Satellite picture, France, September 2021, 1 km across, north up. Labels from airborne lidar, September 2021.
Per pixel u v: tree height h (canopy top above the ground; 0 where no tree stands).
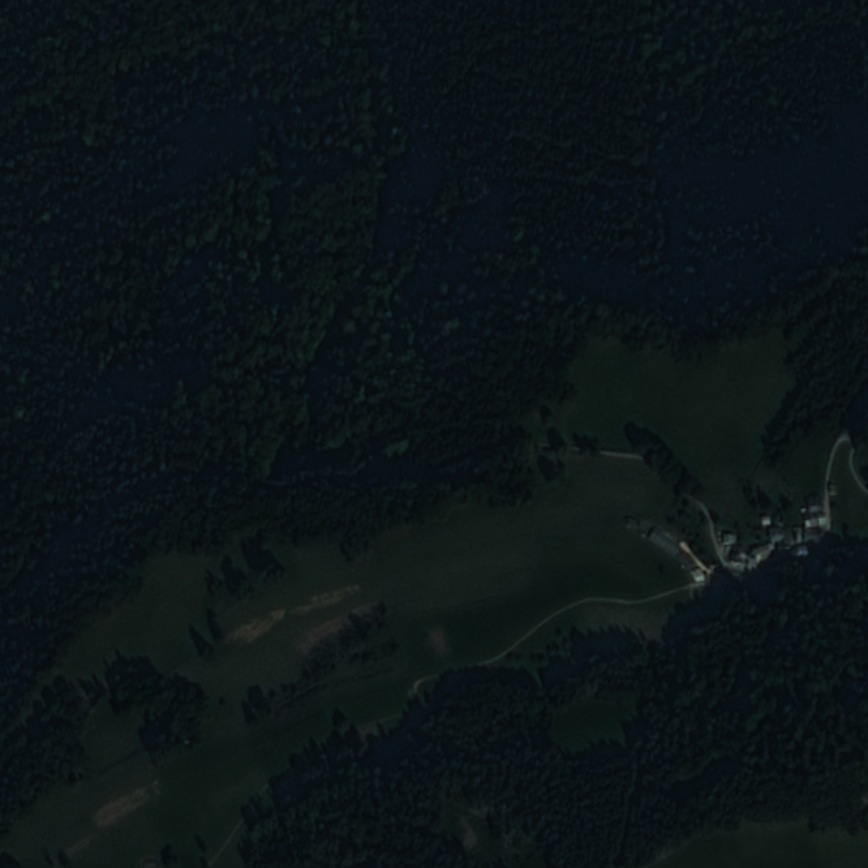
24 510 26
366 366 34
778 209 25
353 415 33
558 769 20
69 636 29
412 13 20
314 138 26
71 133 17
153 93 27
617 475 0
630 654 25
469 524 0
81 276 30
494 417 22
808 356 9
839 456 0
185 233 32
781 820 21
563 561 0
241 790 0
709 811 27
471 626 0
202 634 0
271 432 32
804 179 25
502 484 21
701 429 0
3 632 19
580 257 21
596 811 27
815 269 31
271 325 33
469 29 24
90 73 31
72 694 20
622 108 23
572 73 25
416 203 19
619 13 24
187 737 17
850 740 8
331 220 32
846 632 31
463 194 18
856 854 0
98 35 34
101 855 0
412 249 32
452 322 35
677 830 28
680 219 18
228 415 24
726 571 0
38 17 30
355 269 24
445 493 33
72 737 28
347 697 0
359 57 32
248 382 33
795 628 29
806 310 17
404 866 25
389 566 0
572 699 27
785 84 23
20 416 28
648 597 0
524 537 0
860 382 11
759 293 29
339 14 29
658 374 0
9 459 20
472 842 0
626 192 20
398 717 0
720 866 0
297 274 29
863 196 25
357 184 31
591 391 0
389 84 20
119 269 22
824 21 28
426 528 9
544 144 17
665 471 28
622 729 0
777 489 0
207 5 34
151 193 38
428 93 25
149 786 0
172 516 30
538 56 23
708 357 19
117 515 35
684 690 8
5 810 24
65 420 15
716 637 23
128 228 30
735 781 35
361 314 44
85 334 28
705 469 0
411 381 37
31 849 0
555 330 31
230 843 0
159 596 0
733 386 0
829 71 22
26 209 18
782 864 0
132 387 12
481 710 25
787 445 9
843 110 21
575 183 23
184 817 0
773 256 28
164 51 28
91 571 35
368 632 6
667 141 21
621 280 29
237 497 35
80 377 19
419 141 17
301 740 0
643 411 0
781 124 16
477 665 0
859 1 34
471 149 26
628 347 18
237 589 24
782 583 23
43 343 16
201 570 0
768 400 0
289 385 31
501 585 0
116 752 0
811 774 24
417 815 27
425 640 0
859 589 36
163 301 9
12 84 26
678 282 27
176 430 30
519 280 35
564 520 0
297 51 22
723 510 0
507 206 24
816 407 14
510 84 19
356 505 32
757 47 19
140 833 0
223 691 0
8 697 26
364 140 31
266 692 0
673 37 23
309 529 31
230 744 0
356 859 32
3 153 24
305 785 25
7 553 29
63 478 30
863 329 25
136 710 18
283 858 7
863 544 0
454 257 18
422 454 23
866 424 24
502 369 33
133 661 0
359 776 26
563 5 22
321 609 0
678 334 38
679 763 24
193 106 20
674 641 16
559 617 0
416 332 27
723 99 19
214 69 24
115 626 0
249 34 27
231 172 14
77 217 22
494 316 37
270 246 22
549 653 8
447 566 0
